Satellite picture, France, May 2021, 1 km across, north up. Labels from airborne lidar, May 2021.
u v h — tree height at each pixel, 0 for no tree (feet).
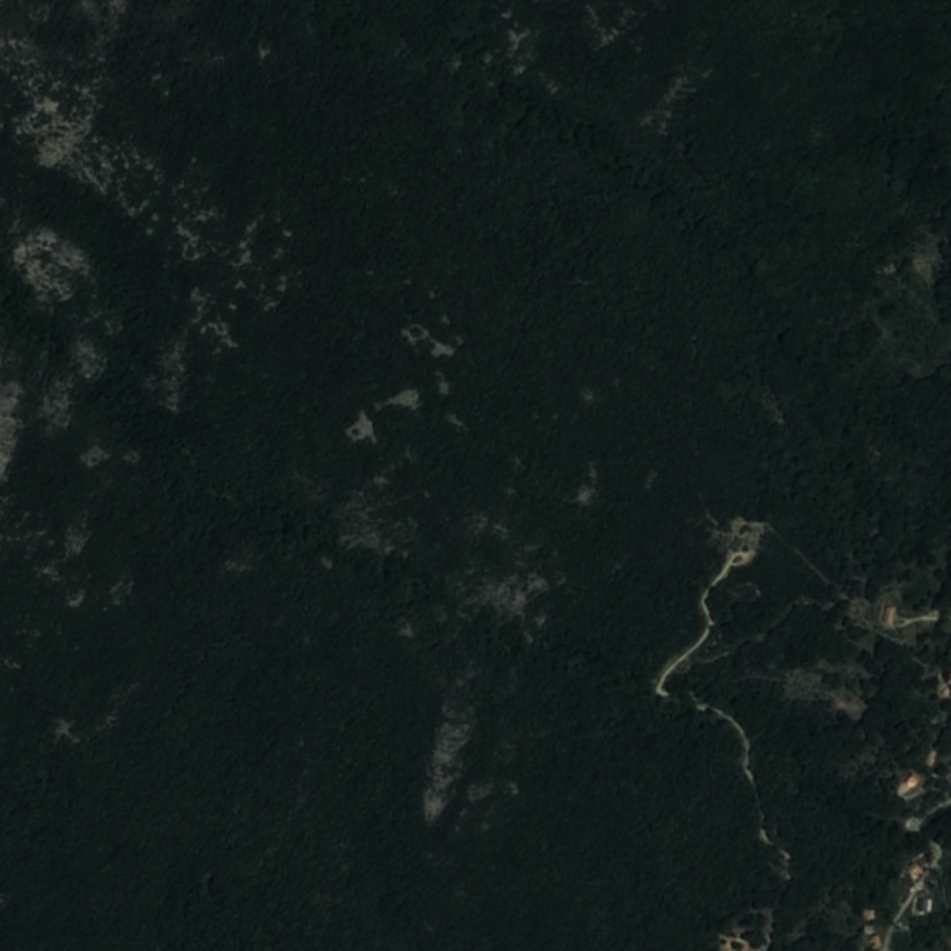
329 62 33
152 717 26
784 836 51
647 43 33
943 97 70
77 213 43
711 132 26
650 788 31
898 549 48
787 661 25
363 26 71
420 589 72
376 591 37
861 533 31
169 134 29
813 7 39
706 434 35
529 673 34
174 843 28
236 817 41
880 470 22
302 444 27
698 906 29
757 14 27
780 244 30
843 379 54
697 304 31
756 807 39
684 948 38
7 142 23
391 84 36
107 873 25
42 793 35
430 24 37
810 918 18
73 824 36
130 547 38
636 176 71
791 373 45
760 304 64
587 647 47
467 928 38
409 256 39
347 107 40
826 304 24
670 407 26
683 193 36
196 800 27
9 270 43
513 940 40
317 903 19
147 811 35
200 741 40
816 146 22
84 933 23
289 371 32
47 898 24
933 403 27
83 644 21
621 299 26
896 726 40
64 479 26
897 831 59
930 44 63
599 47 23
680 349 30
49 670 26
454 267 44
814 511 54
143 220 19
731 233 29
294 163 38
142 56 20
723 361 36
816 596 17
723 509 20
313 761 24
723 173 32
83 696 37
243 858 27
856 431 44
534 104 60
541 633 26
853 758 30
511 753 23
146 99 33
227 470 24
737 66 26
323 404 33
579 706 40
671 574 17
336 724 22
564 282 39
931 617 0
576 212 46
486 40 41
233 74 28
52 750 34
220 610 21
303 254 32
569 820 25
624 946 31
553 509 40
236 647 18
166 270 22
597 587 24
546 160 41
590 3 19
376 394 35
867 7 47
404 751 35
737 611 40
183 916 26
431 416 37
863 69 51
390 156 35
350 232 32
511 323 22
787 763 63
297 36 27
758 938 56
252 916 32
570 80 31
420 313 41
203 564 35
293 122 37
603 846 23
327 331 35
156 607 41
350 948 26
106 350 23
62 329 39
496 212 47
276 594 24
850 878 33
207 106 33
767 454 30
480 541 19
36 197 30
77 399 38
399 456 20
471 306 34
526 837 41
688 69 23
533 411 24
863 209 25
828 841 37
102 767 32
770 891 46
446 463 36
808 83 35
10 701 31
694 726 40
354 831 21
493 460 26
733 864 46
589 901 39
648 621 28
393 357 45
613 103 21
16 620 23
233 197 35
